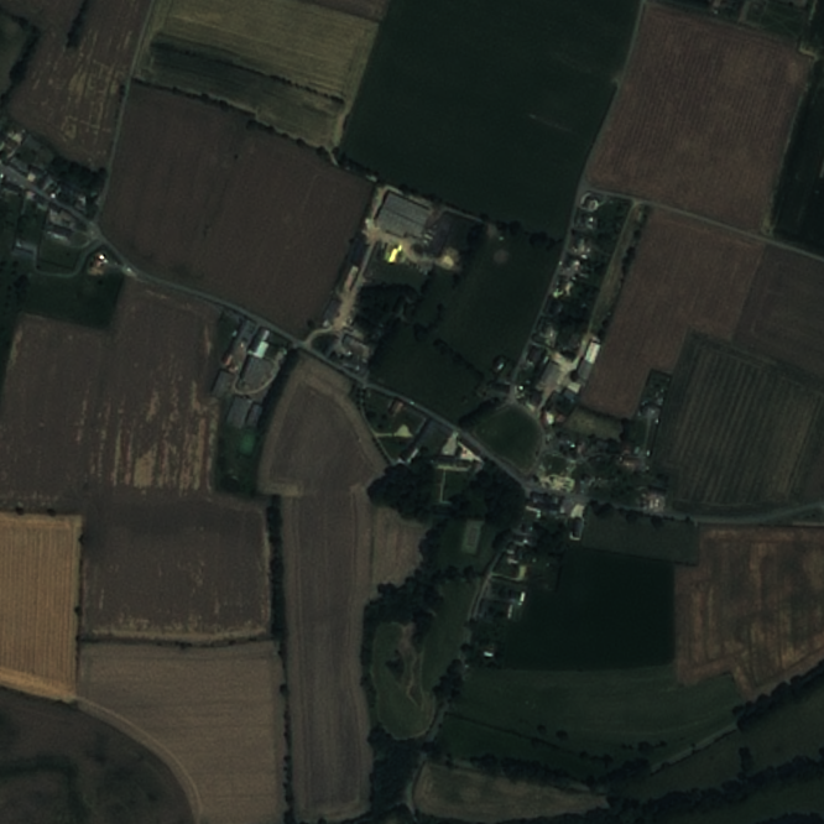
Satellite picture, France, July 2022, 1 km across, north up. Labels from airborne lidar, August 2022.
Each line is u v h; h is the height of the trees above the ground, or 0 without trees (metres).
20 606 0
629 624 0
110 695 0
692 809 19
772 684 0
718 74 0
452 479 0
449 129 0
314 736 0
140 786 0
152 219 0
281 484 0
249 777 0
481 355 0
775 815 0
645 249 0
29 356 0
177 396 0
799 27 0
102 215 0
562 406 6
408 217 0
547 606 0
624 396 0
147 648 0
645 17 0
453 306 0
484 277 0
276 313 0
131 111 0
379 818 13
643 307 0
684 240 0
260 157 0
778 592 0
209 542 0
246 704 0
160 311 0
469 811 0
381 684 0
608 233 8
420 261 0
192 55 6
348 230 0
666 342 0
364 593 0
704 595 0
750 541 0
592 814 9
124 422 0
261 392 0
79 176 7
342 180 0
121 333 0
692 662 0
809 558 0
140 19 0
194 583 0
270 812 0
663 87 0
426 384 0
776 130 0
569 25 0
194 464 0
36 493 0
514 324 0
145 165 0
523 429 0
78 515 0
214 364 0
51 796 0
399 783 13
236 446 0
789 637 0
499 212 0
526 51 0
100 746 0
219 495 0
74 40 11
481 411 13
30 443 0
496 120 0
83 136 0
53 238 0
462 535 0
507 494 22
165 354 0
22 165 0
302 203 0
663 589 0
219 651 0
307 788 0
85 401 0
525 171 0
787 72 0
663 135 0
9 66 0
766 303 0
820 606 0
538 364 6
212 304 0
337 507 0
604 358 0
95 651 0
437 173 0
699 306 0
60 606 0
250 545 0
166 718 0
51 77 0
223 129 0
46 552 0
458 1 0
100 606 0
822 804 0
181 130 0
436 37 0
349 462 0
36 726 0
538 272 0
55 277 0
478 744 0
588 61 0
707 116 0
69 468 0
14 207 0
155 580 0
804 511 0
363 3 0
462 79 0
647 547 0
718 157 0
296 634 0
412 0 0
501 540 13
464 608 0
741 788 17
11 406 0
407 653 0
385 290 12
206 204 0
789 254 0
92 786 0
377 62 0
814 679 14
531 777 22
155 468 0
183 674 0
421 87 0
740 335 0
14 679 0
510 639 0
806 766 23
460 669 9
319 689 0
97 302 0
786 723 0
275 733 0
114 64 0
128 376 0
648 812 12
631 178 0
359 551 0
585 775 0
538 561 0
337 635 0
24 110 0
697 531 0
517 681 0
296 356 16
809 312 0
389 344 14
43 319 0
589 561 0
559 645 0
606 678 0
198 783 0
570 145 0
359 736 0
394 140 0
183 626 0
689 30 0
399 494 21
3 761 0
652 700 0
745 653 0
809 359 0
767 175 0
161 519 0
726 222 0
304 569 0
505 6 0
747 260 0
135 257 0
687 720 0
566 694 0
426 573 14
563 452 7
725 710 0
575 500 0
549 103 0
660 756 0
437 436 0
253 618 0
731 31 0
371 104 0
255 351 0
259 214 0
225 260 0
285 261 0
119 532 0
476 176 0
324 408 0
